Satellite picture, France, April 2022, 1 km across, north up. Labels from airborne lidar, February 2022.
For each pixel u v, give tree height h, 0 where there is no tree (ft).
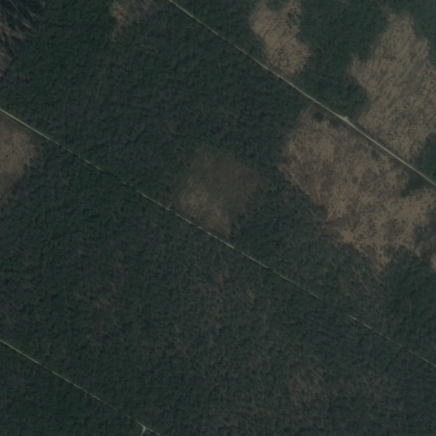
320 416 69
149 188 69
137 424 76
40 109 93
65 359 73
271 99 94
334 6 81
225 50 84
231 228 0
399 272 80
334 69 82
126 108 85
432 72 0
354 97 81
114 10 0
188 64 93
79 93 74
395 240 0
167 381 82
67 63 74
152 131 87
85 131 76
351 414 90
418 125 0
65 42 55
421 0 76
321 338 87
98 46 62
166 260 64
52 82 74
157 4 87
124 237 80
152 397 83
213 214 0
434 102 0
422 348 69
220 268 81
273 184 75
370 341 74
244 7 52
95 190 69
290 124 78
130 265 72
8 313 95
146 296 68
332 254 66
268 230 82
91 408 84
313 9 91
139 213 76
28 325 79
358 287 74
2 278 84
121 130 91
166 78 88
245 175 0
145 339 80
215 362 66
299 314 84
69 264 97
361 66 0
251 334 64
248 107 86
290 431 58
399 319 85
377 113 0
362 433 89
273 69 0
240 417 69
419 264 69
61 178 76
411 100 0
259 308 61
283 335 86
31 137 0
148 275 65
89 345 75
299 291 72
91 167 41
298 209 57
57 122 82
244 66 88
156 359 83
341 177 0
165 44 87
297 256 74
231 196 0
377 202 0
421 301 83
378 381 59
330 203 0
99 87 84
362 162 0
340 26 80
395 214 0
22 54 70
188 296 62
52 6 48
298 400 56
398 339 68
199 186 0
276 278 59
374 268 72
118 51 79
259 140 74
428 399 53
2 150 0
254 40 76
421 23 66
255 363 60
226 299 63
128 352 63
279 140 79
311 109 0
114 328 76
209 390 47
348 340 78
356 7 86
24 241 99
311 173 0
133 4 0
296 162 0
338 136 0
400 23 0
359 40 83
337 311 76
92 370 67
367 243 0
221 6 68
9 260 68
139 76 49
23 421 83
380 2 57
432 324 92
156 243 55
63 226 77
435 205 0
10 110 66
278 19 0
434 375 86
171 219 83
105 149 82
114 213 84
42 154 85
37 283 79
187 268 76
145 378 52
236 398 68
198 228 34
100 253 74
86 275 88
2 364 85
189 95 85
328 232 0
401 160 0
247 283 64
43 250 74
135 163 71
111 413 79
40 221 69
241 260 70
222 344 84
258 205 76
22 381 93
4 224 91
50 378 72
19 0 67
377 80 0
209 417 43
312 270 72
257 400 71
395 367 94
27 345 75
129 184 63
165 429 75
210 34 82
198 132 75
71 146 74
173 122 74
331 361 85
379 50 0
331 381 77
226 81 85
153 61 84
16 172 0
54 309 80
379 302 65
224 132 72
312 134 0
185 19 83
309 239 67
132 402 73
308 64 61
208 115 76
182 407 78
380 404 31
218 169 0
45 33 77
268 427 79
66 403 74
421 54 0
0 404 85
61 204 88
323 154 0
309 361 72
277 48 0
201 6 68
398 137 0
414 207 0
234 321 69
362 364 77
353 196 0
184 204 0
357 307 75
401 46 0
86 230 71
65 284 79
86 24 79
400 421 69
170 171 93
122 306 89
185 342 81
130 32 83
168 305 81
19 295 77
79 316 76
